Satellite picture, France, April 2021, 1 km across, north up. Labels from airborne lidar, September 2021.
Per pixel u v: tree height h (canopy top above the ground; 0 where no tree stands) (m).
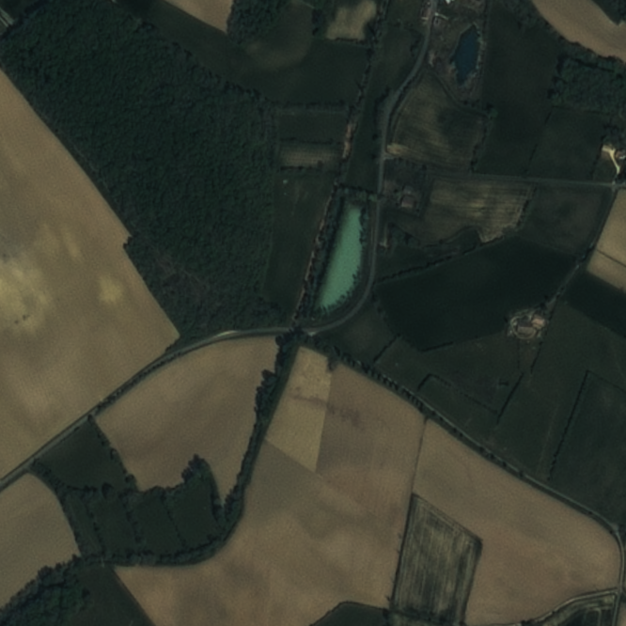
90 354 0
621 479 0
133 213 18
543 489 0
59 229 0
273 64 0
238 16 18
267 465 0
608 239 0
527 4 19
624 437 0
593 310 0
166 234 22
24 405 0
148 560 23
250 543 0
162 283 13
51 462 0
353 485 0
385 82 0
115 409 0
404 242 8
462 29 0
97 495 19
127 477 9
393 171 6
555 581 0
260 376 0
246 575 0
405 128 0
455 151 0
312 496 0
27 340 0
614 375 0
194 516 0
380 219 0
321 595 0
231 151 26
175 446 0
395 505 0
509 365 0
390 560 0
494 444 0
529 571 0
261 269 17
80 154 16
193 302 14
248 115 22
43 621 21
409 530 0
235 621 0
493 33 0
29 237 0
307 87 0
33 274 0
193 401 0
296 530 0
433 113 0
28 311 0
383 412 0
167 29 0
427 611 0
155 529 0
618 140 20
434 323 0
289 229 0
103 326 0
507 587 0
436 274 0
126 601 0
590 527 0
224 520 24
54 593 24
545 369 0
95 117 22
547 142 0
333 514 0
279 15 18
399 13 0
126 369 0
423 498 0
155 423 0
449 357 0
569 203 0
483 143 7
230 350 0
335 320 0
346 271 0
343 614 0
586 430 0
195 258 22
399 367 0
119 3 0
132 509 15
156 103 24
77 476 0
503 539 0
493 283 0
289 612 0
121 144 24
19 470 0
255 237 22
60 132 16
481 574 0
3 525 0
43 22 27
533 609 0
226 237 23
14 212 0
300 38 0
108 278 0
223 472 0
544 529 0
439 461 0
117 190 21
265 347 0
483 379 0
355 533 0
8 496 0
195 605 0
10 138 0
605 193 0
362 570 0
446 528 0
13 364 0
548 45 0
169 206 26
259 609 0
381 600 0
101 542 10
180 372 0
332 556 0
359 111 13
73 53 27
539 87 0
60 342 0
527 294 0
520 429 0
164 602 0
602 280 0
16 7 0
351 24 0
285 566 0
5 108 0
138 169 26
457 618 0
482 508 0
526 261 0
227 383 0
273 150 18
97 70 21
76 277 0
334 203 7
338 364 13
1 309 0
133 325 0
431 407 0
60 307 0
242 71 0
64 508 15
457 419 0
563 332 0
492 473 0
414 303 0
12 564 0
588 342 0
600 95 21
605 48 0
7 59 13
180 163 26
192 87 26
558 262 0
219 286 20
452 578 0
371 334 0
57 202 0
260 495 0
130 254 10
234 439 0
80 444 0
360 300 0
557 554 0
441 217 0
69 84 22
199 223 24
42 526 0
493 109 15
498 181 0
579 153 0
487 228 0
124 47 23
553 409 0
